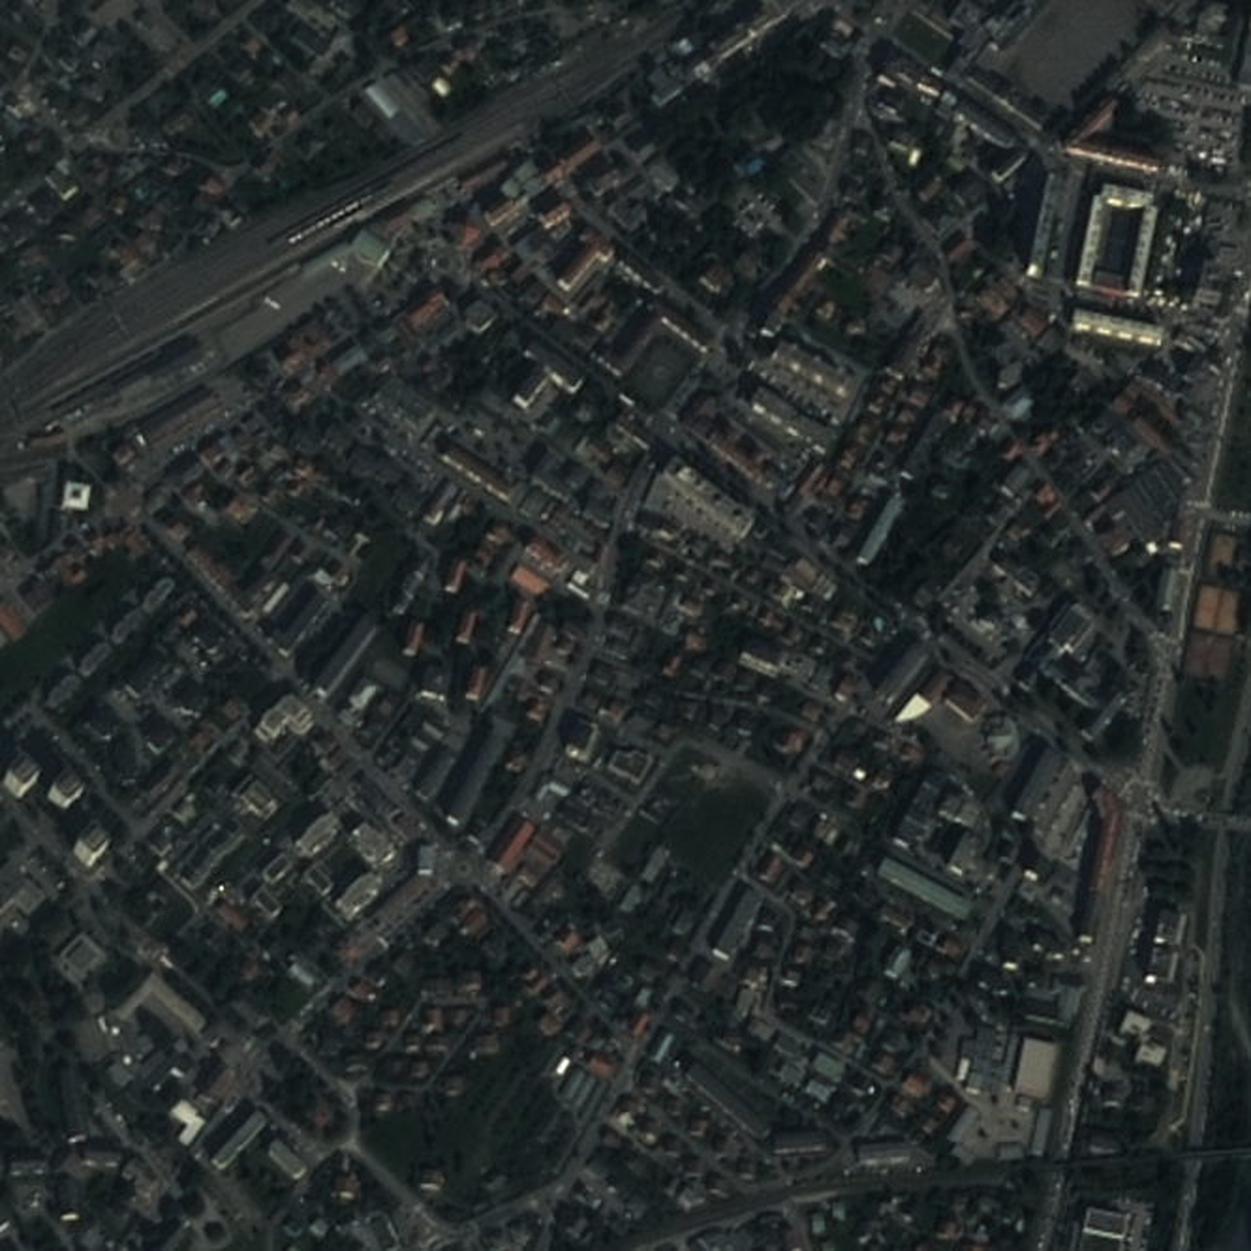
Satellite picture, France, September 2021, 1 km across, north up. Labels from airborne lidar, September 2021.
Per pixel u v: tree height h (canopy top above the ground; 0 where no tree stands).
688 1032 0
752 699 7
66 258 0
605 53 0
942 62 0
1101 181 0
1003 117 0
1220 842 0
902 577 7
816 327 11
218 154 8
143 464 0
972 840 0
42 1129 11
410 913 0
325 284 0
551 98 0
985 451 11
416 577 0
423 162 0
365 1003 8
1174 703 0
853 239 7
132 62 5
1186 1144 8
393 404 0
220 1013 10
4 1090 0
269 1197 9
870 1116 0
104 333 0
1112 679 17
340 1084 0
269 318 0
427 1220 0
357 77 6
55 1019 10
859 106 0
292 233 0
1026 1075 0
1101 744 0
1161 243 12
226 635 8
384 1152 0
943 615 9
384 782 0
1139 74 0
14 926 0
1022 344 0
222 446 0
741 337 0
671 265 14
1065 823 0
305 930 7
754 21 0
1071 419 13
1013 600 0
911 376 0
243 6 0
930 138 9
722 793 0
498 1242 0
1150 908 0
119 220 7
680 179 13
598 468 0
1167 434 11
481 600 8
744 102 17
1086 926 0
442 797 0
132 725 0
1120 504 0
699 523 0
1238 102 0
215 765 6
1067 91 0
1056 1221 0
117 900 12
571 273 0
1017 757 0
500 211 0
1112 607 13
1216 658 0
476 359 6
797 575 0
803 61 15
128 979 16
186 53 0
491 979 12
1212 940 0
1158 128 17
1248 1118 6
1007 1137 0
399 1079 8
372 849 0
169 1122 6
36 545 11
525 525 0
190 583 10
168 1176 0
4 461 0
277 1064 13
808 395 0
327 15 0
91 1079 10
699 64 0
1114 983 0
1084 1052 0
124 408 0
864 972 6
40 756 6
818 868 9
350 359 0
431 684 0
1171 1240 6
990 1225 10
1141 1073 7
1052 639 0
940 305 0
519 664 0
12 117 0
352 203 0
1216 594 0
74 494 0
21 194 0
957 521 6
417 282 0
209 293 0
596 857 0
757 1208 0
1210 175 11
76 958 0
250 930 8
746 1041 6
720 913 0
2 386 0
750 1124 0
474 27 6
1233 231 0
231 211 0
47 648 0
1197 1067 0
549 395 0
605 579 0
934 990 7
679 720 7
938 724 0
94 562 11
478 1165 0
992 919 0
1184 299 12
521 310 7
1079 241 8
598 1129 0
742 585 7
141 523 0
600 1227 12
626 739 0
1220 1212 10
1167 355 0
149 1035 15
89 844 0
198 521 8
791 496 0
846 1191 0
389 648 0
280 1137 8
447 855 0
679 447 0
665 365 0
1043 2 0
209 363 0
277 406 10
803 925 6
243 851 0
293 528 0
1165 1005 0
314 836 0
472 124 0
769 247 12
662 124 18
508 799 10
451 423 0
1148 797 0
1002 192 0
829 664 8
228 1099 0
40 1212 0
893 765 7
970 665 0
